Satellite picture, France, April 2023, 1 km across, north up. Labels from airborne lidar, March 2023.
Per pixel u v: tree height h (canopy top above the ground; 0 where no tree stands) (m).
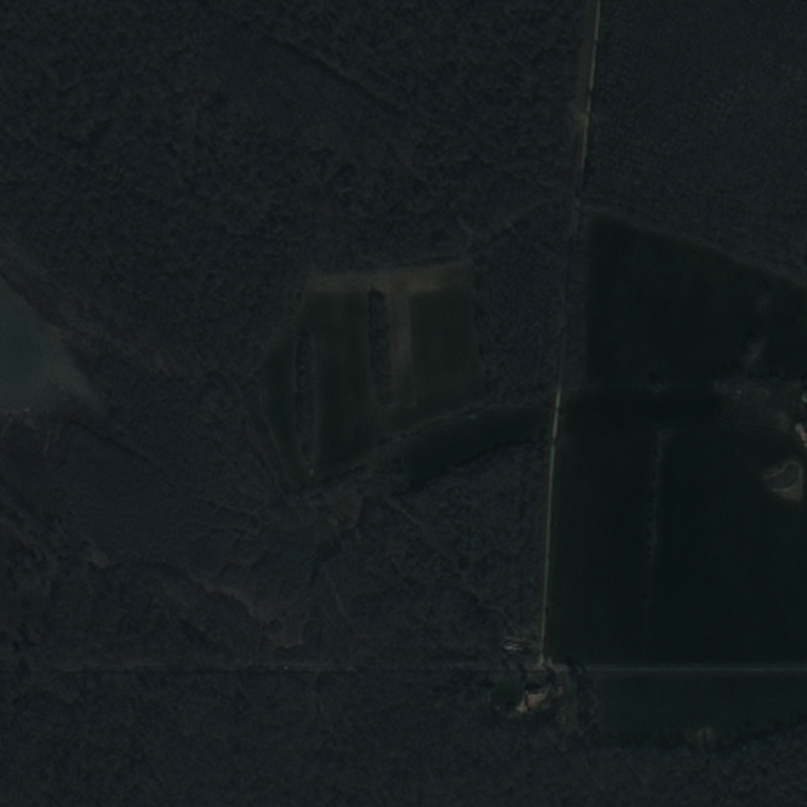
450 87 22
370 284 0
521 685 0
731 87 25
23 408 0
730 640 0
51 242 25
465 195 22
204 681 22
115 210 25
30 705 17
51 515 0
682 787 29
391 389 10
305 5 18
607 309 0
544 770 28
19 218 28
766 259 21
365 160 24
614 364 0
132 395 13
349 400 0
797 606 0
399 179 14
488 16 22
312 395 13
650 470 0
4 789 30
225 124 28
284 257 19
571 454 0
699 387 0
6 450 0
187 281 29
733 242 21
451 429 0
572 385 18
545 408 6
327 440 0
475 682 23
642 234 0
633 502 0
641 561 0
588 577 0
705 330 0
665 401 0
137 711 22
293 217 13
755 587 0
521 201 20
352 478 8
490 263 15
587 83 0
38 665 24
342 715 22
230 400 28
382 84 16
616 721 0
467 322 0
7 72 22
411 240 21
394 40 22
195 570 7
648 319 0
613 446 0
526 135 22
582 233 13
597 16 0
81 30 19
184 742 28
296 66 27
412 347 0
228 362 18
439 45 25
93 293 27
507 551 17
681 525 0
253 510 6
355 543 22
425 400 0
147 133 22
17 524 17
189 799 25
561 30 14
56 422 0
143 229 22
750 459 0
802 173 25
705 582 0
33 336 0
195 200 29
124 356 7
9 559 0
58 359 0
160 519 6
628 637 0
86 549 8
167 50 27
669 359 0
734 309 0
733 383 23
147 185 21
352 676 17
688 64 24
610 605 0
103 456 6
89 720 22
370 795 24
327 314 0
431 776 24
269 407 0
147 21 26
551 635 0
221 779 27
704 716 0
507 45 17
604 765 27
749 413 0
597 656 0
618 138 22
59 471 6
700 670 0
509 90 15
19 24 23
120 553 7
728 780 27
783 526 0
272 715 29
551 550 0
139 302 25
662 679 0
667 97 22
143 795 24
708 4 27
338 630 24
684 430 0
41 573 26
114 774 23
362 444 0
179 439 8
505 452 6
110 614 27
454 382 0
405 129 21
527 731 19
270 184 19
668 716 0
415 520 7
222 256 19
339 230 21
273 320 23
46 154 19
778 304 0
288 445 0
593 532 0
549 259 19
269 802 29
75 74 19
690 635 0
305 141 19
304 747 23
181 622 22
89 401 0
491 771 24
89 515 6
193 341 20
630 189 21
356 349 0
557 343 23
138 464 9
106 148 24
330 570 21
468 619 23
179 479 12
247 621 20
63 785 25
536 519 18
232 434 26
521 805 23
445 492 8
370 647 20
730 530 0
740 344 0
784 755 19
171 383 11
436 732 24
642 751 22
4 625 23
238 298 23
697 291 0
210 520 9
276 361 0
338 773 21
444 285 0
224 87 23
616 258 0
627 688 0
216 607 16
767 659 0
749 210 20
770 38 25
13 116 21
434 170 9
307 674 7
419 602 23
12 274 0
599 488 0
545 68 25
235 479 15
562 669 0
